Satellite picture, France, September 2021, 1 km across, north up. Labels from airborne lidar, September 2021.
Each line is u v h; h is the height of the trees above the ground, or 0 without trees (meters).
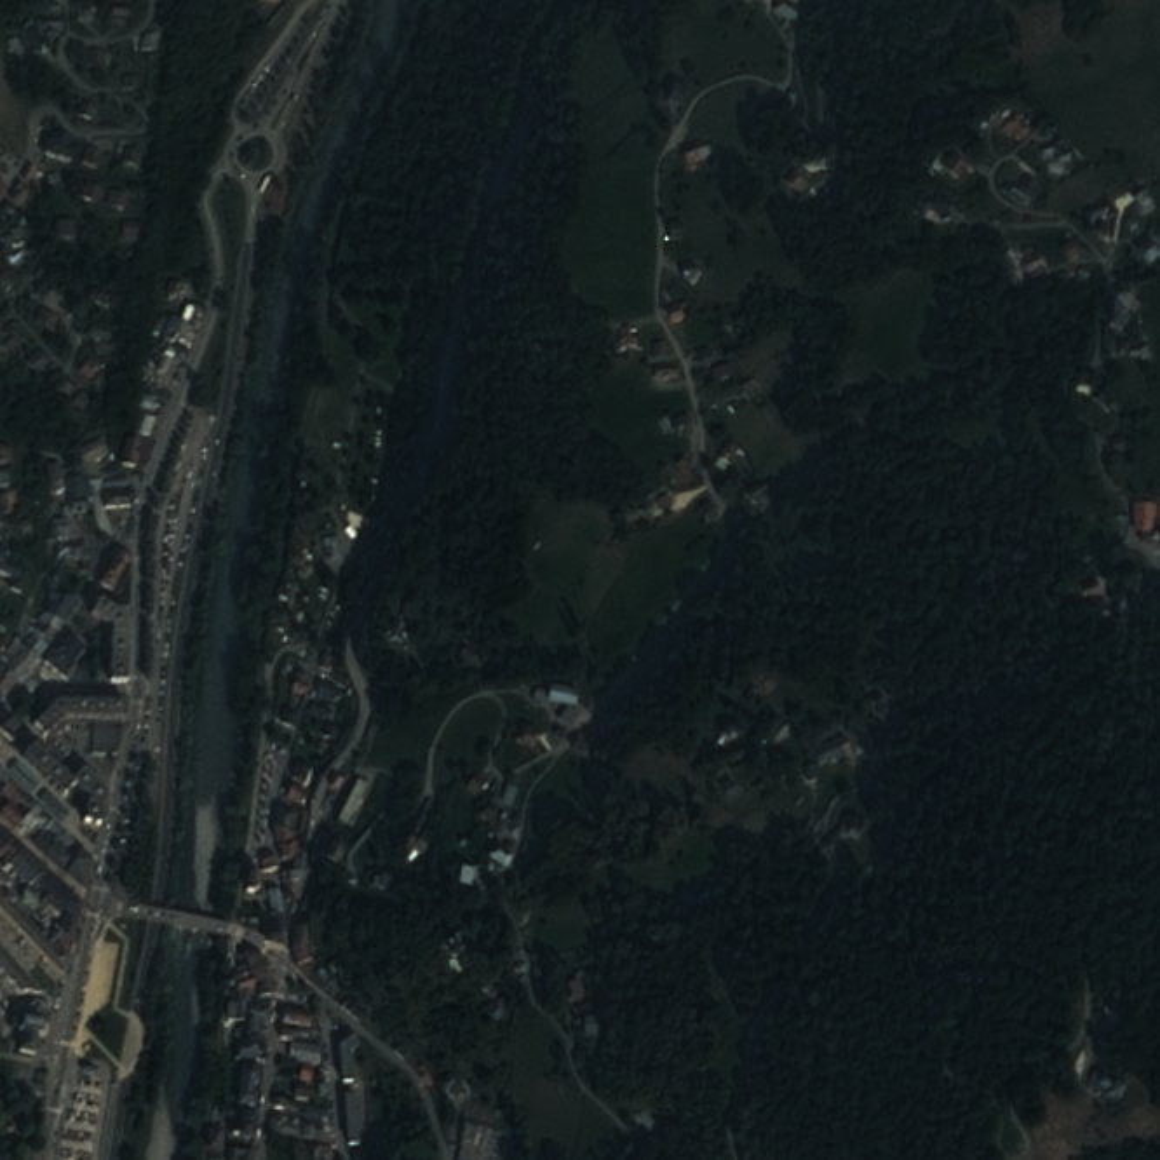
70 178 12
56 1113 0
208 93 26
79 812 0
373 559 12
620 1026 14
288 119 0
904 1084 19
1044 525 20
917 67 16
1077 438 13
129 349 16
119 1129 0
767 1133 21
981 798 17
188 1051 0
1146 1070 12
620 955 19
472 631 8
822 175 0
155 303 21
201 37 20
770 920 23
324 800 0
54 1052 0
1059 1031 14
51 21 0
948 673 17
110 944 0
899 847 24
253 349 21
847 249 21
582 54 17
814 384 12
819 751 0
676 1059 15
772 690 0
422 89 24
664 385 0
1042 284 16
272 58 0
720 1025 17
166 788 0
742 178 22
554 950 0
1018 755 8
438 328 8
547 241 21
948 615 20
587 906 13
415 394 7
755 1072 19
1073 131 0
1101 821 18
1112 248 0
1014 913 17
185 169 32
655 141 10
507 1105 13
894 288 0
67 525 0
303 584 15
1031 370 21
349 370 0
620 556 0
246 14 18
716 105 0
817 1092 20
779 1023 18
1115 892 19
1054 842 20
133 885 13
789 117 12
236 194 0
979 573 21
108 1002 0
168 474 11
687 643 26
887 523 27
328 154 0
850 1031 19
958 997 25
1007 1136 0
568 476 23
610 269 0
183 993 0
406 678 16
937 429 22
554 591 0
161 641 0
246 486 0
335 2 0
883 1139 18
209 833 0
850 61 23
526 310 23
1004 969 18
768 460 0
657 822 16
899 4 17
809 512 23
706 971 19
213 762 0
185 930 0
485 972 18
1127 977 20
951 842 27
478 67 21
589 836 21
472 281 15
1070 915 21
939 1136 27
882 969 20
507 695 0
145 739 0
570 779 0
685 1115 23
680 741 20
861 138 21
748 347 6
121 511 0
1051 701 22
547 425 32
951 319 20
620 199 0
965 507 18
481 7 24
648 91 12
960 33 11
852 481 21
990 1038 18
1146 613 21
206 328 0
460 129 24
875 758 20
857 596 21
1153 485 7
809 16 17
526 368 27
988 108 13
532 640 0
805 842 17
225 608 0
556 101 19
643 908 23
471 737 0
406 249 12
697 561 0
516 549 6
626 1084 15
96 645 8
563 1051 10
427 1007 12
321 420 0
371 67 0
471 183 27
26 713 10
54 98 8
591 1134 0
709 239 0
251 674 16
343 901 12
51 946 0
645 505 10
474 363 20
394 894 14
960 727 27
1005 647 30
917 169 9
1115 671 25
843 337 25
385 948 24
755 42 0
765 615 28
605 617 0
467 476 24
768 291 11
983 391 27
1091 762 26
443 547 9
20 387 6
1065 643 27
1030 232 0
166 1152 0
